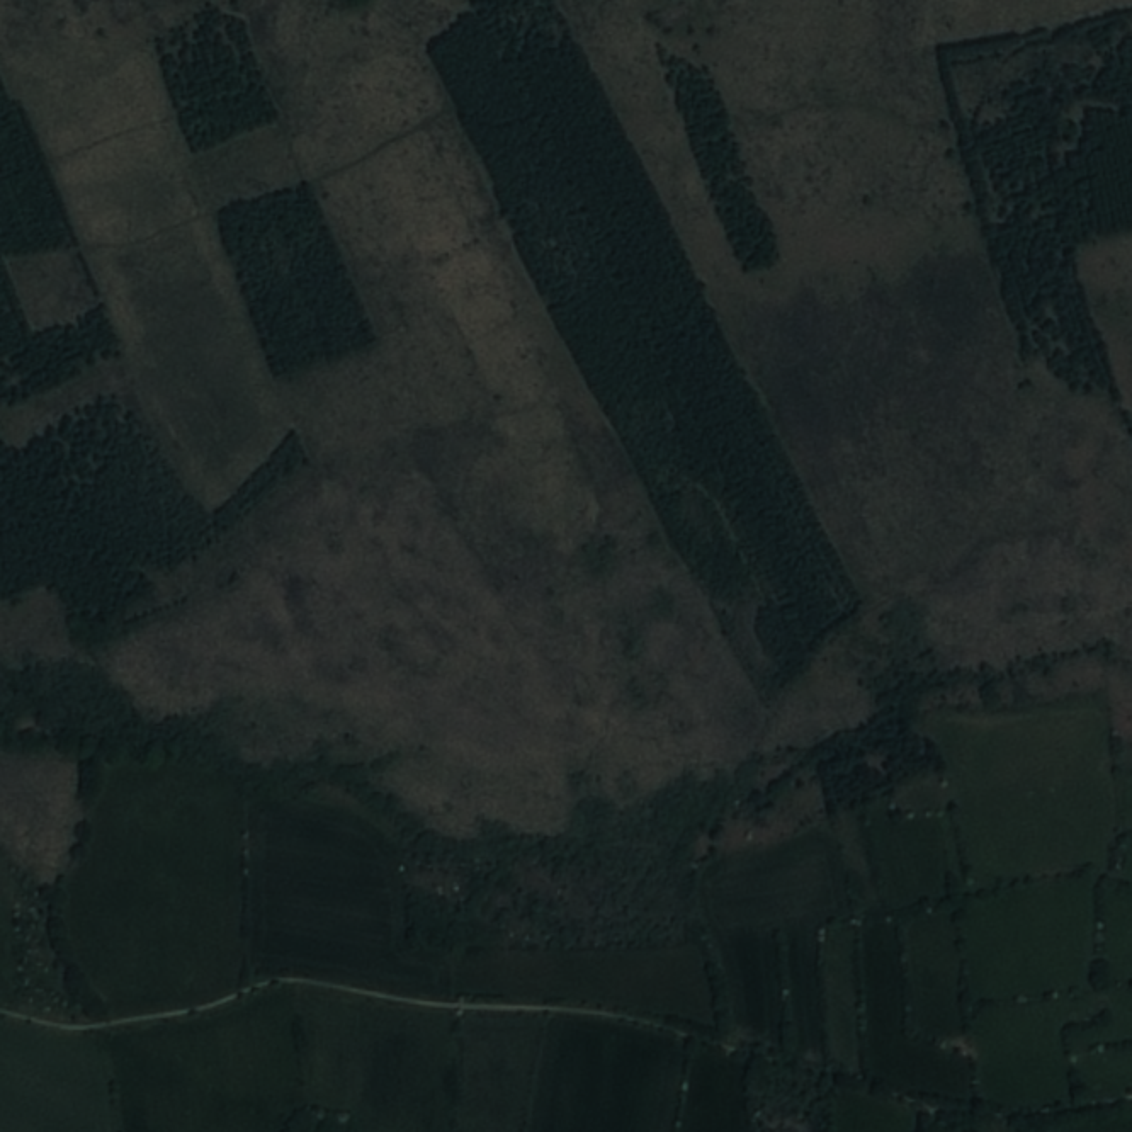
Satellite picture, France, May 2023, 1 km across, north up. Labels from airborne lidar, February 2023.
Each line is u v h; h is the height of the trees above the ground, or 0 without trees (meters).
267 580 0
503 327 0
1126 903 0
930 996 0
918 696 11
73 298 0
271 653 0
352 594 0
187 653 0
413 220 0
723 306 0
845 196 0
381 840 0
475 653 0
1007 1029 0
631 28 0
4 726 9
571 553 0
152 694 0
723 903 0
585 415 0
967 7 0
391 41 0
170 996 0
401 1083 0
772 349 0
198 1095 0
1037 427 0
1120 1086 0
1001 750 0
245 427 0
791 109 0
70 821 0
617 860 6
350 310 14
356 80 0
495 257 0
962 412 0
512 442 0
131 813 0
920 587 0
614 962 0
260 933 0
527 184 11
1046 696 0
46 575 14
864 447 0
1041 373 0
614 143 18
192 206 0
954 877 6
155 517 11
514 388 0
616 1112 0
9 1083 0
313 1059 0
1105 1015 8
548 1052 0
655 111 0
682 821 7
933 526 0
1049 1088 0
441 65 13
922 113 0
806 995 0
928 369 0
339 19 0
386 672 0
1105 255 0
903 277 0
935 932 0
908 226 0
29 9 0
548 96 13
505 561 0
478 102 15
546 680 0
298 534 0
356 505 0
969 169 13
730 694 0
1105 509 0
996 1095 0
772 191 0
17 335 10
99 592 13
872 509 0
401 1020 0
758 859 0
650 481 9
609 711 0
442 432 0
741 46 0
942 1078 0
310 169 0
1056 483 0
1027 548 0
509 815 0
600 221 12
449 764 0
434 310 0
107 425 13
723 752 0
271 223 15
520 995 0
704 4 0
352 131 0
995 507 0
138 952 0
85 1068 0
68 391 0
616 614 0
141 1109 0
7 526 12
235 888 0
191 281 0
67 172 0
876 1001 0
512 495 0
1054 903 0
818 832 0
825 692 0
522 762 0
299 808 0
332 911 0
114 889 0
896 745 16
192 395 0
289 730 0
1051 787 0
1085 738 0
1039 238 12
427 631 0
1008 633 0
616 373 14
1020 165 13
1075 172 16
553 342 0
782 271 0
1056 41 10
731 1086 0
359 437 0
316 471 0
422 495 0
